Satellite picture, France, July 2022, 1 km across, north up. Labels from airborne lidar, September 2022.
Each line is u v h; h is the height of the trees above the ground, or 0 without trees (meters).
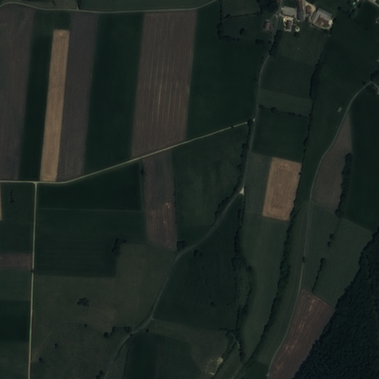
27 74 0
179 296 0
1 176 0
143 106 0
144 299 0
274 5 20
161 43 0
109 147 0
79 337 0
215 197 0
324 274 0
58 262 0
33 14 0
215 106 0
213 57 0
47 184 0
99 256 0
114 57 0
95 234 0
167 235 0
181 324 0
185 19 0
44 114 0
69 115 0
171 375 0
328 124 0
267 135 0
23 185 0
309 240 0
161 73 0
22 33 0
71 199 0
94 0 0
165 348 0
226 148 0
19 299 0
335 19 8
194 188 0
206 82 0
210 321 0
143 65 0
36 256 0
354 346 16
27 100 0
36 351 0
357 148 0
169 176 0
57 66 0
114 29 0
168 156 0
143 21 0
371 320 12
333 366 23
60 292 0
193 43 0
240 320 8
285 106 0
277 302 15
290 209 0
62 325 0
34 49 0
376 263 12
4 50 0
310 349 0
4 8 0
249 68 0
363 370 15
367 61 0
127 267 0
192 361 0
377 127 0
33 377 0
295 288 0
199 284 0
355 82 0
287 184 0
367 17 0
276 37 13
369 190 0
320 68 19
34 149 0
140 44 0
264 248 0
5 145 0
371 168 0
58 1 0
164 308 0
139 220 0
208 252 0
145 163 0
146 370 0
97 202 0
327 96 0
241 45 0
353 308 14
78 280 0
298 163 0
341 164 0
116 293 0
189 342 0
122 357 0
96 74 0
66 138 0
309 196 0
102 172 0
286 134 0
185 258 0
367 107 0
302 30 0
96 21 0
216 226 0
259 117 0
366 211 0
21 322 0
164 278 0
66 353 0
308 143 16
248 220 0
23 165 0
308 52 0
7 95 0
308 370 25
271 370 0
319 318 0
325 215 0
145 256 0
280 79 0
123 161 0
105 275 0
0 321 0
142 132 0
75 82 0
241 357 7
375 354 12
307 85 0
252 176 0
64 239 0
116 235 0
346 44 0
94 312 0
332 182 0
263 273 0
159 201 0
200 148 0
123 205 0
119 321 0
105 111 0
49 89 0
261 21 0
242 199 0
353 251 0
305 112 0
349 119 0
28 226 0
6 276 0
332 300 0
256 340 0
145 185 0
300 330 0
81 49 0
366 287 13
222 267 0
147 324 0
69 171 0
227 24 0
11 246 0
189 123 0
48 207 0
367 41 0
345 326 16
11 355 0
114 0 0
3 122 0
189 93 0
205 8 0
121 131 0
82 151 0
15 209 0
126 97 0
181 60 0
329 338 19
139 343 0
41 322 0
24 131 0
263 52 0
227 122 0
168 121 0
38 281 0
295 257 0
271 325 10
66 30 0
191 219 0
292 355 0
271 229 0
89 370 0
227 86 0
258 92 0
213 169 0
